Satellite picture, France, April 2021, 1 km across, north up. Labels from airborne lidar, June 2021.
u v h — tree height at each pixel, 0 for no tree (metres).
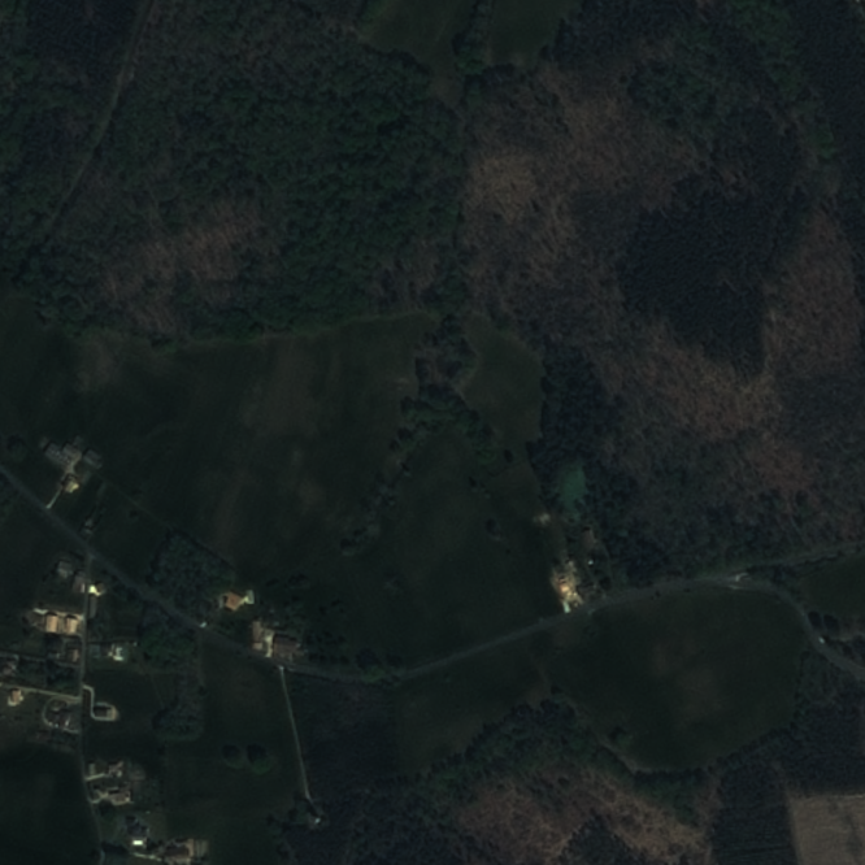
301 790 0
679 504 16
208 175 16
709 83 19
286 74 20
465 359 18
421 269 12
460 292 19
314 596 0
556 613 0
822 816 0
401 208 19
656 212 6
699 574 15
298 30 7
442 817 10
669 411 13
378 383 0
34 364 0
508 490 0
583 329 7
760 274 19
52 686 13
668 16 19
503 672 0
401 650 0
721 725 0
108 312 19
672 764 0
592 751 18
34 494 0
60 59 21
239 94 19
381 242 19
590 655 0
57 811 0
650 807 0
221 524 0
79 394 0
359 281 12
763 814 12
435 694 0
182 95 12
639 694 0
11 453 11
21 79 19
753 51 21
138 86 12
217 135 18
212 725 0
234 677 0
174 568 17
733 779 21
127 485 0
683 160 9
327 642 8
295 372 0
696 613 0
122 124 19
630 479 14
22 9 23
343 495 0
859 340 7
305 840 12
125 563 0
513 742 19
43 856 0
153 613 17
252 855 0
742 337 19
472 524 0
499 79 21
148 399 0
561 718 24
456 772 16
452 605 0
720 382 0
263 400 0
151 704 0
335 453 0
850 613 0
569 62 23
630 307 15
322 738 6
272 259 14
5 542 0
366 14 14
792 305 10
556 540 0
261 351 0
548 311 8
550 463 17
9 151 21
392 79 16
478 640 0
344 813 12
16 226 19
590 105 8
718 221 18
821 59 20
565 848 0
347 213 22
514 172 0
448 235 19
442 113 22
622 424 13
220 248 19
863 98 20
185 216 19
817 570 7
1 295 0
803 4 19
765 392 0
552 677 0
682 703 0
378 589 0
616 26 19
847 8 19
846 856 0
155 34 10
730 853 10
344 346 0
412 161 22
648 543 16
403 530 0
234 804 0
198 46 10
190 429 0
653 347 12
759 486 11
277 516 0
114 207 11
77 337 18
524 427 0
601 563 12
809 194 15
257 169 15
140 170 20
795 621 0
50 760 0
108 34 11
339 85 18
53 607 0
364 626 0
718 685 0
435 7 0
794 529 21
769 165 18
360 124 24
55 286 18
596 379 22
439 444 0
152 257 24
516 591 0
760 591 0
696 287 20
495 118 8
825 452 9
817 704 15
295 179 19
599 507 19
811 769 20
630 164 9
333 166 24
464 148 21
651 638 0
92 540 0
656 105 13
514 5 0
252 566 0
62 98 21
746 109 17
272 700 0
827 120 20
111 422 0
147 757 0
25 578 0
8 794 0
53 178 19
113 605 0
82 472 10
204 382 0
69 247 10
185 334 19
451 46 0
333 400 0
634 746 0
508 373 0
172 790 0
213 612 18
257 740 0
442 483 0
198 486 0
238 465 0
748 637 0
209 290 22
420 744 0
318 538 0
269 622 11
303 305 20
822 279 6
